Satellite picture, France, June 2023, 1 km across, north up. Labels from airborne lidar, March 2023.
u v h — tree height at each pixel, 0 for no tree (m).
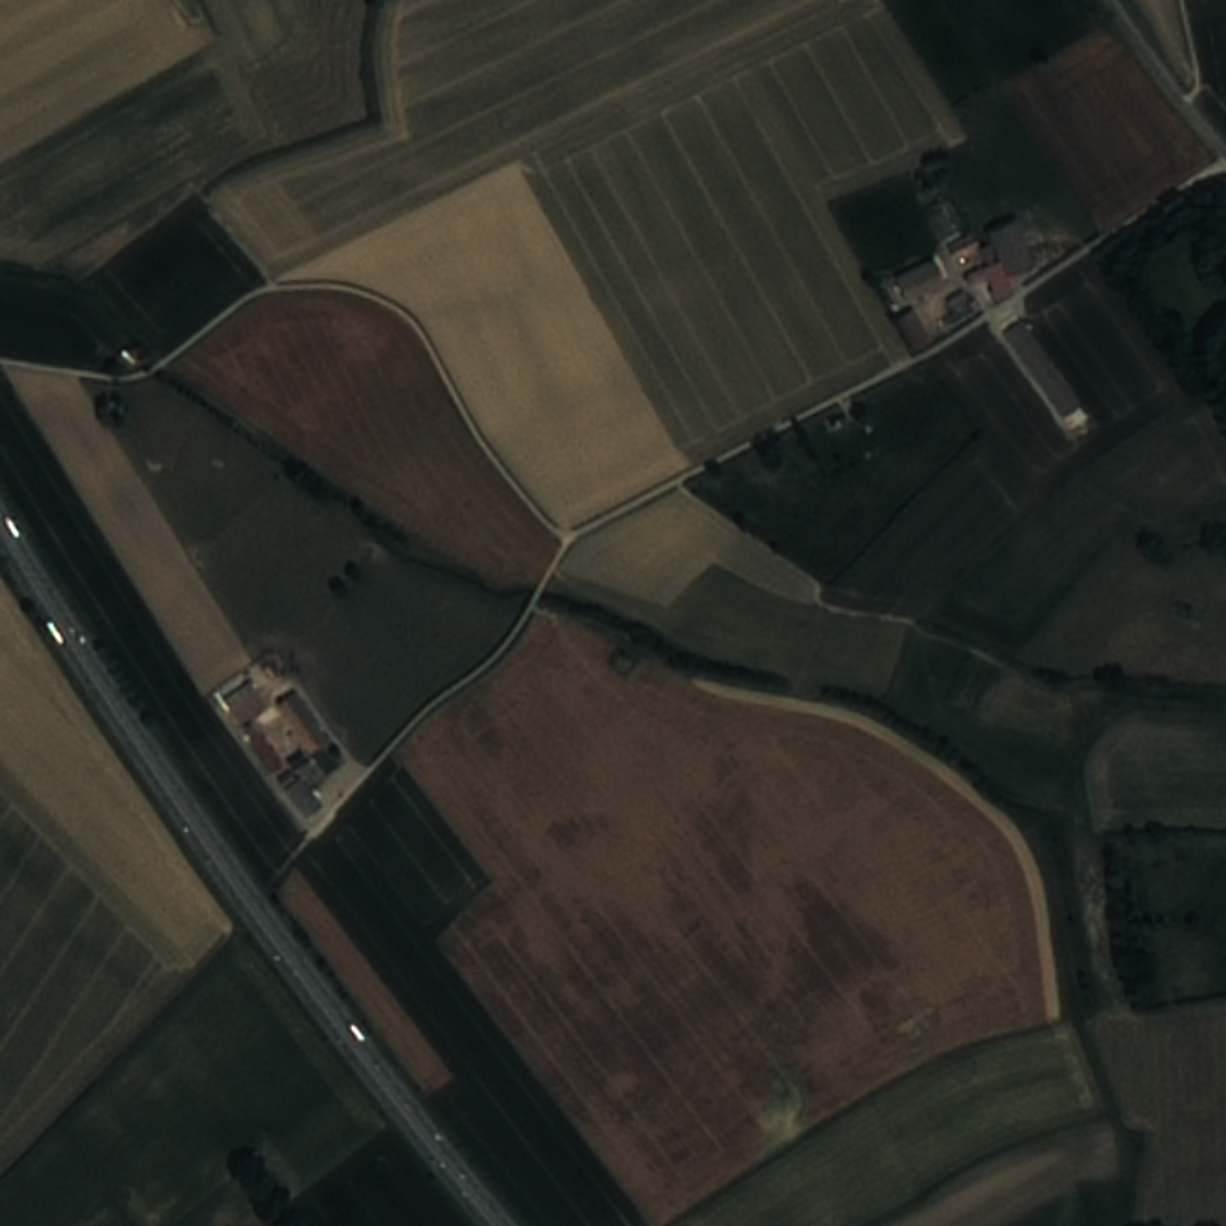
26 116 0
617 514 0
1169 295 0
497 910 0
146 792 0
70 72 0
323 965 8
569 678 0
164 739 0
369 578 0
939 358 0
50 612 0
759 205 0
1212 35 0
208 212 0
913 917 0
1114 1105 0
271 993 0
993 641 0
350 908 0
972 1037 0
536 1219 0
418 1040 0
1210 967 0
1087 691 0
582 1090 0
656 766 0
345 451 0
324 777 0
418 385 0
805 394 0
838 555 0
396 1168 0
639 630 11
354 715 0
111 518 0
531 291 0
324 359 0
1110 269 14
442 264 0
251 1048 0
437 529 0
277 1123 0
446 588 0
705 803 0
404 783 0
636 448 0
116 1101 0
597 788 0
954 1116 0
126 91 0
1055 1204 0
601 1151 0
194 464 0
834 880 0
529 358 0
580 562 0
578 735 0
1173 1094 0
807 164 0
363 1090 0
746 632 0
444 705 0
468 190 0
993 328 0
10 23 0
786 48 0
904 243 0
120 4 0
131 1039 0
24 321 0
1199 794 0
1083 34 0
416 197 0
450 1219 0
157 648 0
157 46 0
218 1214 0
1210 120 0
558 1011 0
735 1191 0
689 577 0
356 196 0
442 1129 0
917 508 0
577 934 0
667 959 0
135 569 0
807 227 0
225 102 0
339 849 0
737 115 0
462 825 0
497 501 0
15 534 0
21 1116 0
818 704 0
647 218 0
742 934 0
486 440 0
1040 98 0
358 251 0
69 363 0
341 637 0
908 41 0
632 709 0
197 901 0
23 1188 0
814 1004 0
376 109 0
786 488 0
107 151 0
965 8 0
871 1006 0
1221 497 0
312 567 0
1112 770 0
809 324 0
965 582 0
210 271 0
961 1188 0
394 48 0
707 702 0
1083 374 0
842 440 0
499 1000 0
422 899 0
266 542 0
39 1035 0
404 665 0
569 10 0
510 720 0
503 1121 0
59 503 0
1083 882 0
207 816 0
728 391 0
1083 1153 0
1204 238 18
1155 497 0
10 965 0
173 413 0
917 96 0
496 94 0
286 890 0
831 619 0
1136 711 0
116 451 0
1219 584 0
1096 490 0
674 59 0
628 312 0
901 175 0
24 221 0
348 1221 0
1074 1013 0
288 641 0
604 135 0
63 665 0
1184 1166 0
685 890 0
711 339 0
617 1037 0
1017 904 0
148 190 0
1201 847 0
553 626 0
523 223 0
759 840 0
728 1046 0
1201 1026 0
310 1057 0
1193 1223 0
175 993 0
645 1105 0
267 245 0
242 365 0
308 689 0
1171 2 0
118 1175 0
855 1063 0
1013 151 0
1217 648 0
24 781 0
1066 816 0
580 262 0
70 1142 0
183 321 0
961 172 0
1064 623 0
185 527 0
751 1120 0
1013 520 0
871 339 0
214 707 0
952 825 0
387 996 0
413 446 0
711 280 0
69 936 0
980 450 0
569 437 0
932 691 0
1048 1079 0
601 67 0
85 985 0
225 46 0
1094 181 0
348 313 0
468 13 0
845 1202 0
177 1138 0
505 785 0
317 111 0
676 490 0
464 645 0
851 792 0
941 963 0
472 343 0
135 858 0
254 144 0
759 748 0
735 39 0
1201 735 0
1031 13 0
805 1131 0
